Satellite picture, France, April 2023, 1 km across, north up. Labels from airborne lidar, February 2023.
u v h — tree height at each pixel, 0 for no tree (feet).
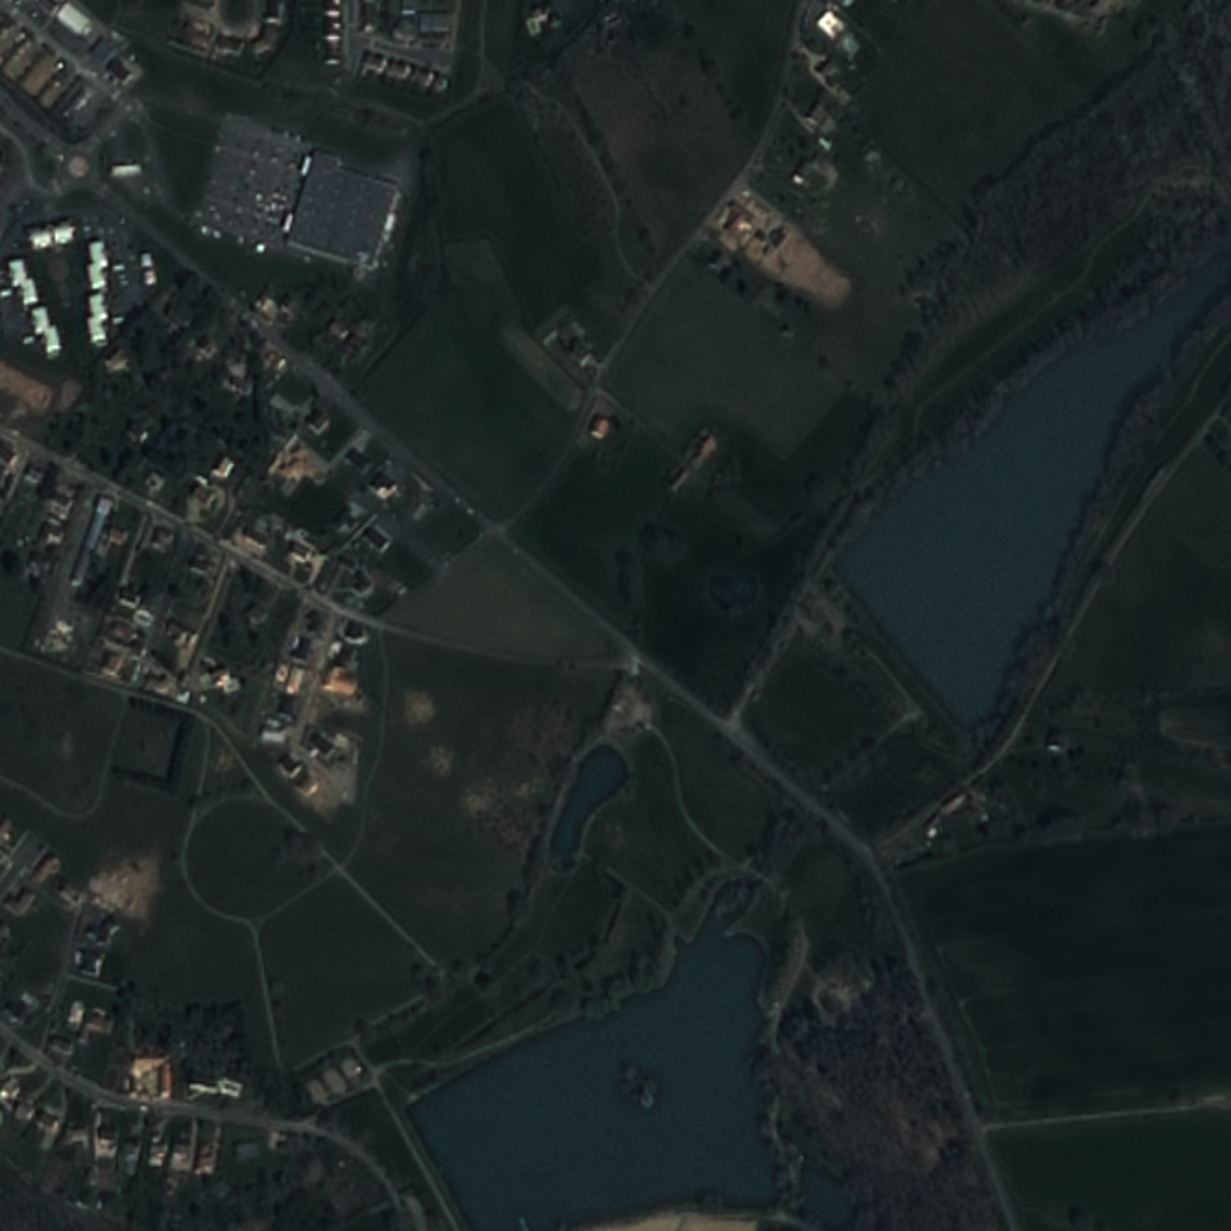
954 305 58
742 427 0
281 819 0
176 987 0
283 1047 21
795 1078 59
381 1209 19
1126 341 0
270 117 0
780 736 0
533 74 19
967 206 0
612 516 0
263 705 0
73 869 0
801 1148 0
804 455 0
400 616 0
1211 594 0
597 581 0
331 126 0
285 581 0
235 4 24
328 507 0
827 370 37
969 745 0
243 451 33
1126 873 0
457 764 0
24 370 0
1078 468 0
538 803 0
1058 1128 0
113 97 0
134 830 0
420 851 0
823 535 44
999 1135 0
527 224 0
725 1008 0
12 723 0
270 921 0
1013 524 0
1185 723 0
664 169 0
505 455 0
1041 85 0
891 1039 61
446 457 0
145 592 25
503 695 0
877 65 0
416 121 0
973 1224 75
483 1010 0
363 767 0
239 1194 34
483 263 0
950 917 0
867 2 0
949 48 0
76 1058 0
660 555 80
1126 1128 0
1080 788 0
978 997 0
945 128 0
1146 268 37
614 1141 0
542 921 0
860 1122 72
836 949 0
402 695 0
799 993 0
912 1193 69
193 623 0
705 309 0
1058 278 0
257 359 26
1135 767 24
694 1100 0
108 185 0
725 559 0
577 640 0
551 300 0
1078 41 0
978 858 0
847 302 0
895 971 52
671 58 0
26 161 0
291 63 0
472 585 0
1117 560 0
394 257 0
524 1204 0
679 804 0
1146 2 0
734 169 0
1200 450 0
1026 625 0
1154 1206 0
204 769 0
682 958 0
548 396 0
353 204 0
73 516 28
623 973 0
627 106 0
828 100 28
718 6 0
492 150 0
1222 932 0
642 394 0
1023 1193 0
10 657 0
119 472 34
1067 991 0
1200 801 0
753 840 0
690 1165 0
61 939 0
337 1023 0
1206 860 0
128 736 0
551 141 0
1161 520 0
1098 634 0
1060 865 0
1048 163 59
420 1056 0
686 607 0
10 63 0
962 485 0
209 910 0
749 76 0
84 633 0
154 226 0
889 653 0
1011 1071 0
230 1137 0
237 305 0
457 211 0
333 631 0
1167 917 0
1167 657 0
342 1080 19
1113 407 0
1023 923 0
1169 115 42
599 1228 0
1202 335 56
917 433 0
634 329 0
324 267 0
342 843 0
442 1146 0
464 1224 0
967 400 0
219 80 0
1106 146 68
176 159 0
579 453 0
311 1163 42
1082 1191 0
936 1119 63
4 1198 40
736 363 0
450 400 0
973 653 0
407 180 0
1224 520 0
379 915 0
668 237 0
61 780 0
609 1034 0
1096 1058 0
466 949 0
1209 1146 0
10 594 0
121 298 0
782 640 43
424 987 27
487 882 0
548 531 0
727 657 0
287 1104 62
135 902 0
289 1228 29
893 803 0
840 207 0
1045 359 56
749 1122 0
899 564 0
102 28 0
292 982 0
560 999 39
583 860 0
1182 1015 0
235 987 0
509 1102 0
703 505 0
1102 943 0
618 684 28
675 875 0
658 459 0
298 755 0
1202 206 19
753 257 0
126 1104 0
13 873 0
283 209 0
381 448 0
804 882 0
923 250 0
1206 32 74
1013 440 0
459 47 0
